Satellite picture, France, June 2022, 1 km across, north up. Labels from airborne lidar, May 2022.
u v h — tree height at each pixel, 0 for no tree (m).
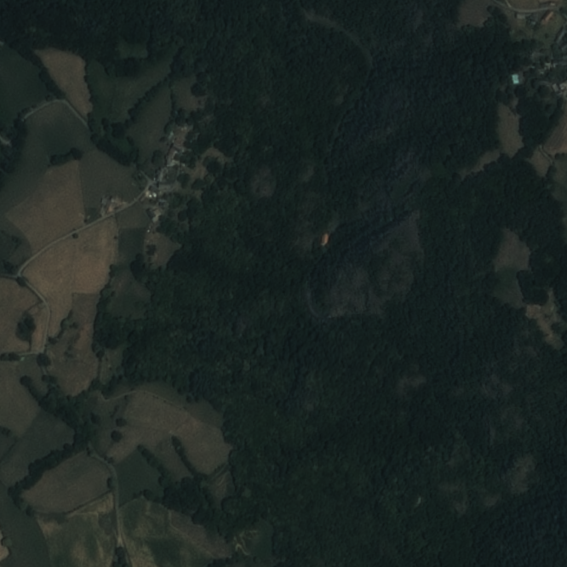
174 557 0
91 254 0
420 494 12
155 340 20
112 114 0
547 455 23
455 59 25
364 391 11
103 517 0
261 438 12
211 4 29
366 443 21
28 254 0
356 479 15
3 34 21
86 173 0
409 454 23
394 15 6
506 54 9
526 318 6
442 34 13
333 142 11
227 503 19
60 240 0
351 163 9
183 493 17
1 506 0
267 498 23
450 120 22
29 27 21
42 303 0
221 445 0
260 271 11
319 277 20
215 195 16
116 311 0
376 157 15
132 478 0
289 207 23
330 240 15
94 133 15
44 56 0
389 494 22
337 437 19
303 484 18
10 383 0
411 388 10
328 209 8
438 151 14
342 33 14
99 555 0
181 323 19
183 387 16
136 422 0
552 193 14
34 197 0
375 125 8
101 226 0
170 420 0
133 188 0
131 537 0
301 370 25
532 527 10
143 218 0
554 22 0
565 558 11
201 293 15
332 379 15
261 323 16
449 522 13
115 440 13
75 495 0
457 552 17
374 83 20
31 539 0
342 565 14
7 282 0
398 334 19
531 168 16
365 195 6
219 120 14
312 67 15
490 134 13
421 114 10
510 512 18
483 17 0
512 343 6
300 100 8
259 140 14
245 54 9
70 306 0
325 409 9
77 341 0
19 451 0
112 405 0
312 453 21
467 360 21
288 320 17
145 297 0
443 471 12
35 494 0
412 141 26
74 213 0
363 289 8
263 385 19
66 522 0
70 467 0
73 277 0
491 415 5
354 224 7
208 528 13
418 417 28
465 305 17
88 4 26
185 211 8
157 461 15
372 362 9
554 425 8
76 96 0
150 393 0
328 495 17
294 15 17
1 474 0
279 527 15
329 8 11
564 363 28
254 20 13
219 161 12
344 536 11
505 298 0
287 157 17
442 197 12
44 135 0
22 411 0
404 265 6
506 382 9
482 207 17
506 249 0
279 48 19
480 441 23
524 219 19
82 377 0
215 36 21
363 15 15
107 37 19
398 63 13
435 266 17
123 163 14
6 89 0
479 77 17
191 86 0
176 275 19
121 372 13
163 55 20
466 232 15
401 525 19
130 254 0
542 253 13
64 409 17
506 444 18
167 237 7
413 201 11
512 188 14
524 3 0
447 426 24
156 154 11
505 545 9
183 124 11
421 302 17
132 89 0
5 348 0
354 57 18
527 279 21
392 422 14
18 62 0
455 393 7
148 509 0
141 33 25
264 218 14
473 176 14
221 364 18
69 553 0
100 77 0
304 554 15
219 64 16
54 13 35
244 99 13
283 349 13
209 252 16
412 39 13
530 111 21
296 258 12
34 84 0
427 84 19
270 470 24
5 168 27
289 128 20
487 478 11
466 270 10
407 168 14
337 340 14
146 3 20
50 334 0
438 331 17
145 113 0
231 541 18
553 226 18
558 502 13
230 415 16
